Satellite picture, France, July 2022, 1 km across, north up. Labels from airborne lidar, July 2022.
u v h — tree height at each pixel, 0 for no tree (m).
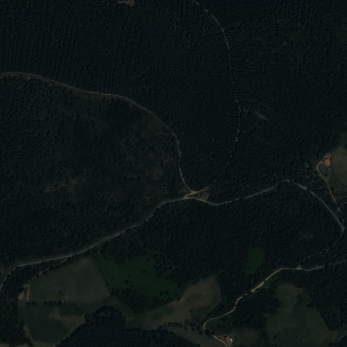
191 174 14
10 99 11
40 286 0
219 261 10
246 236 10
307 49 12
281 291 0
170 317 0
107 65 10
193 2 10
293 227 9
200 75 15
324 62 18
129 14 14
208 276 7
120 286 0
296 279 16
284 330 0
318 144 15
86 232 7
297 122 15
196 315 0
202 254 18
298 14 20
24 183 8
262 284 0
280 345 0
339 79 12
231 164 15
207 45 11
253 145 15
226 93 16
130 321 0
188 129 16
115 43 13
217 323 0
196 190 13
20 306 0
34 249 13
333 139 11
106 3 19
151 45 16
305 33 12
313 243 12
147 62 15
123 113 15
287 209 7
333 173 0
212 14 19
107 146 16
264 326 16
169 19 11
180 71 9
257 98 17
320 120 17
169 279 10
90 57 9
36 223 14
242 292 9
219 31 11
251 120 12
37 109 9
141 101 14
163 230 6
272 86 17
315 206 8
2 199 13
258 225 10
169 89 17
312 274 13
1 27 16
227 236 14
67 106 11
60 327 0
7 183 15
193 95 12
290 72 14
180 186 0
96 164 8
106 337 25
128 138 6
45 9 13
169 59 14
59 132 9
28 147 13
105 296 0
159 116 13
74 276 0
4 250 13
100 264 0
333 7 25
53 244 15
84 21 15
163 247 12
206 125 15
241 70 11
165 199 0
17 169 15
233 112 15
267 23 15
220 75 13
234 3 17
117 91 10
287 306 0
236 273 7
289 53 12
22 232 9
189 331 0
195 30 16
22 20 15
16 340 8
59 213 14
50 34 12
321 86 17
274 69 16
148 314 0
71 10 16
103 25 12
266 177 16
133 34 13
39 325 0
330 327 16
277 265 12
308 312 0
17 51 16
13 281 12
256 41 10
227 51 16
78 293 0
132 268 0
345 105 19
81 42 14
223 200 12
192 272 11
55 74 13
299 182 12
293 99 16
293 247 20
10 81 13
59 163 7
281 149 14
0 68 13
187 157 16
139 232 12
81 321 0
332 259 8
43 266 7
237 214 12
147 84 14
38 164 12
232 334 0
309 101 13
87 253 13
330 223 13
